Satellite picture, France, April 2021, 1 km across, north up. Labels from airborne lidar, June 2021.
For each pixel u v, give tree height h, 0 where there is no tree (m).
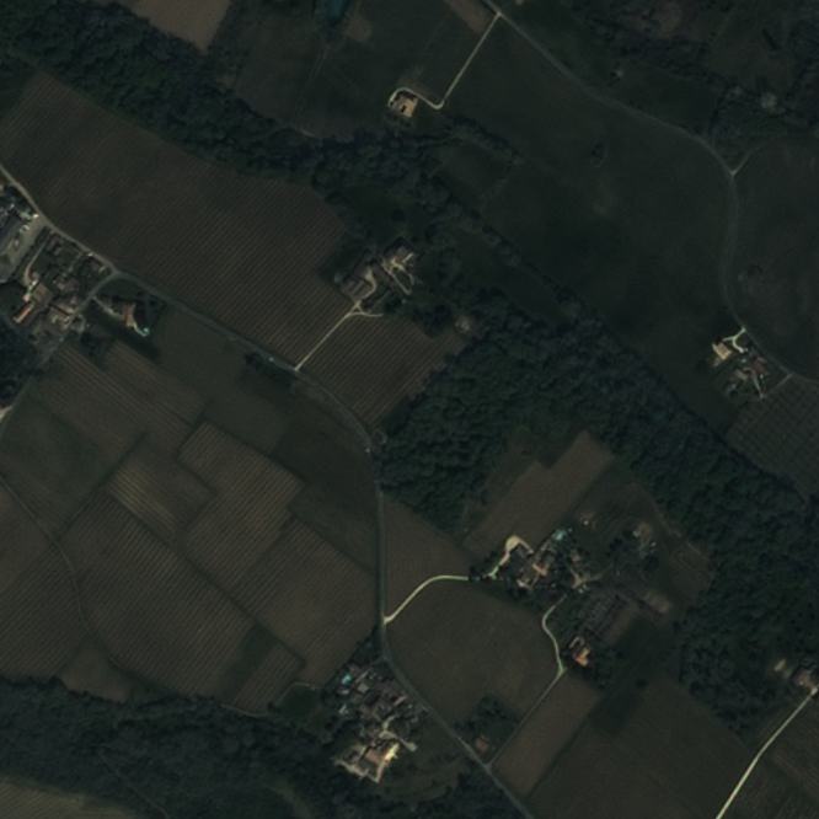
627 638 0
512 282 0
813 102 0
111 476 0
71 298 0
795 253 0
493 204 0
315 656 0
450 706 0
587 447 0
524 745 0
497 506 0
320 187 17
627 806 0
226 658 0
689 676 17
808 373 0
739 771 0
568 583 10
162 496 0
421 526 0
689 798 0
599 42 8
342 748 9
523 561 0
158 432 0
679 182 0
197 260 0
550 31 0
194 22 0
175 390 0
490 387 17
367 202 0
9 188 8
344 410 0
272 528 0
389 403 0
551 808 0
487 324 8
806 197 0
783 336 0
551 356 14
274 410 0
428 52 0
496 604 0
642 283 0
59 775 16
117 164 0
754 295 0
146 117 14
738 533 25
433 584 0
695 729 0
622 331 0
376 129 0
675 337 0
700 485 19
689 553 0
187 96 11
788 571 13
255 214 0
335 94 0
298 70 0
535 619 0
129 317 0
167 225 0
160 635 0
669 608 0
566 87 0
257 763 18
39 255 0
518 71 0
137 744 19
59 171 0
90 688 0
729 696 18
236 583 0
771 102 29
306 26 0
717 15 0
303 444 0
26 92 0
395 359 0
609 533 0
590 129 0
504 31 0
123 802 20
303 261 0
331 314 0
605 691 9
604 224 0
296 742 20
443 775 0
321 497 0
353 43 0
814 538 23
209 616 0
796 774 0
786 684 0
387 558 0
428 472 18
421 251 0
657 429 24
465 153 0
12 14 21
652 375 23
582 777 0
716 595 9
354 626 0
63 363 0
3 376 15
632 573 16
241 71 8
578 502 0
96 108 0
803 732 0
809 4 20
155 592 0
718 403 0
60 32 17
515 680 0
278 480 0
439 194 22
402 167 29
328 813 7
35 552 0
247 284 0
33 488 0
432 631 0
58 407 0
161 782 17
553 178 0
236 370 0
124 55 19
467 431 14
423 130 0
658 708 0
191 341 0
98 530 0
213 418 0
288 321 0
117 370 0
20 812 0
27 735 18
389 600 0
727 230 0
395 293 8
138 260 0
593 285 0
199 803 7
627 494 0
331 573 0
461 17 0
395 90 0
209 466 0
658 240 0
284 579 0
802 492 17
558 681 0
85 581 0
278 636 0
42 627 0
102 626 0
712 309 0
